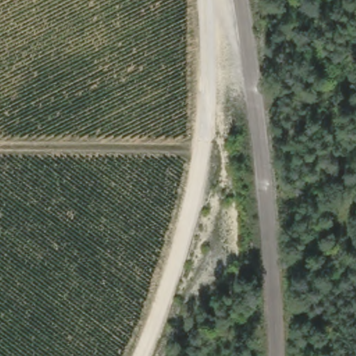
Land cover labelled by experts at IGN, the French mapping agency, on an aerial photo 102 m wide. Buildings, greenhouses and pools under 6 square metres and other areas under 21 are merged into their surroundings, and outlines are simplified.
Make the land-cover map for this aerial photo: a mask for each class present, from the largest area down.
<instances>
[{"label":"vineyard","instance_id":"1","mask_svg":"<svg viewBox=\"0 0 356 356\"><path fill-rule=\"evenodd\" d=\"M189 0H0V136H147L149 139H156L160 136L177 138L186 135L189 120L186 114V10ZM189 164L181 156H97L89 159L85 156L38 157L29 154H0V356H132L152 309L163 277L165 261L170 254L182 197L185 195V186L188 182Z\"/></svg>","mask_w":356,"mask_h":356},{"label":"coniferous trees","instance_id":"2","mask_svg":"<svg viewBox=\"0 0 356 356\"><path fill-rule=\"evenodd\" d=\"M252 10L253 33L260 63L259 90L263 95L264 107L270 114L267 131L273 138V168L277 189L278 221L281 225V231L278 232V263L286 278V288L282 293V320L288 327L285 335V356H356V0H248ZM264 267L260 249L239 252L229 254L225 264L218 260L214 270V281L200 286L199 293L192 295L188 302L184 300V295H174L165 323L172 328L165 343V356H267V327L261 321L264 307Z\"/></svg>","mask_w":356,"mask_h":356},{"label":"herbaceous vegetation","instance_id":"3","mask_svg":"<svg viewBox=\"0 0 356 356\"><path fill-rule=\"evenodd\" d=\"M199 0H189L186 10V114L189 120L186 135L177 138L160 136L156 139H149L147 136H0V154H29L38 157L85 156L89 159L97 156H181L189 164L192 159L193 121L196 117L199 71ZM246 115L245 100L236 96L224 100V124L229 129L232 115ZM228 133L216 131L211 140L209 175L204 188L203 207L197 214L184 270L179 275L174 295H184V300L188 302L192 295L199 293L200 286L214 281V270L218 260L225 264L229 254L239 252L238 211L236 203L232 202V193H236V188L227 175L228 153L224 146ZM172 328L165 323L154 345L152 356H165V343Z\"/></svg>","mask_w":356,"mask_h":356},{"label":"pervious surface","instance_id":"4","mask_svg":"<svg viewBox=\"0 0 356 356\"><path fill-rule=\"evenodd\" d=\"M199 71L196 117L193 121L192 159L189 164L188 182L185 186V195L182 197L170 254L165 261L163 277L152 309L132 356H152L154 345L165 323L174 295L179 275L184 270L197 214L203 207L204 188L209 175L211 140L216 131L228 133L229 129L224 124V100L236 96L245 86V79L242 74L235 4L232 0H199Z\"/></svg>","mask_w":356,"mask_h":356},{"label":"impervious surface","instance_id":"5","mask_svg":"<svg viewBox=\"0 0 356 356\"><path fill-rule=\"evenodd\" d=\"M235 4L242 74L245 79V86L236 96L245 100L246 115L252 146L254 186L261 235L260 249L264 267V307L261 321L267 327V356H285V335L288 327L282 320V293L286 288V278L278 263V232L281 231V225L278 221L277 189L273 168V138L267 131L270 114L264 107L263 95L259 90L260 63L253 33L252 10L248 0H232Z\"/></svg>","mask_w":356,"mask_h":356},{"label":"brushwood","instance_id":"6","mask_svg":"<svg viewBox=\"0 0 356 356\"><path fill-rule=\"evenodd\" d=\"M224 146L228 153L227 175L236 188V193H232V202L236 203L238 211L239 252L260 249L261 235L254 186L252 146L246 115H232L229 129L228 133Z\"/></svg>","mask_w":356,"mask_h":356}]
</instances>
